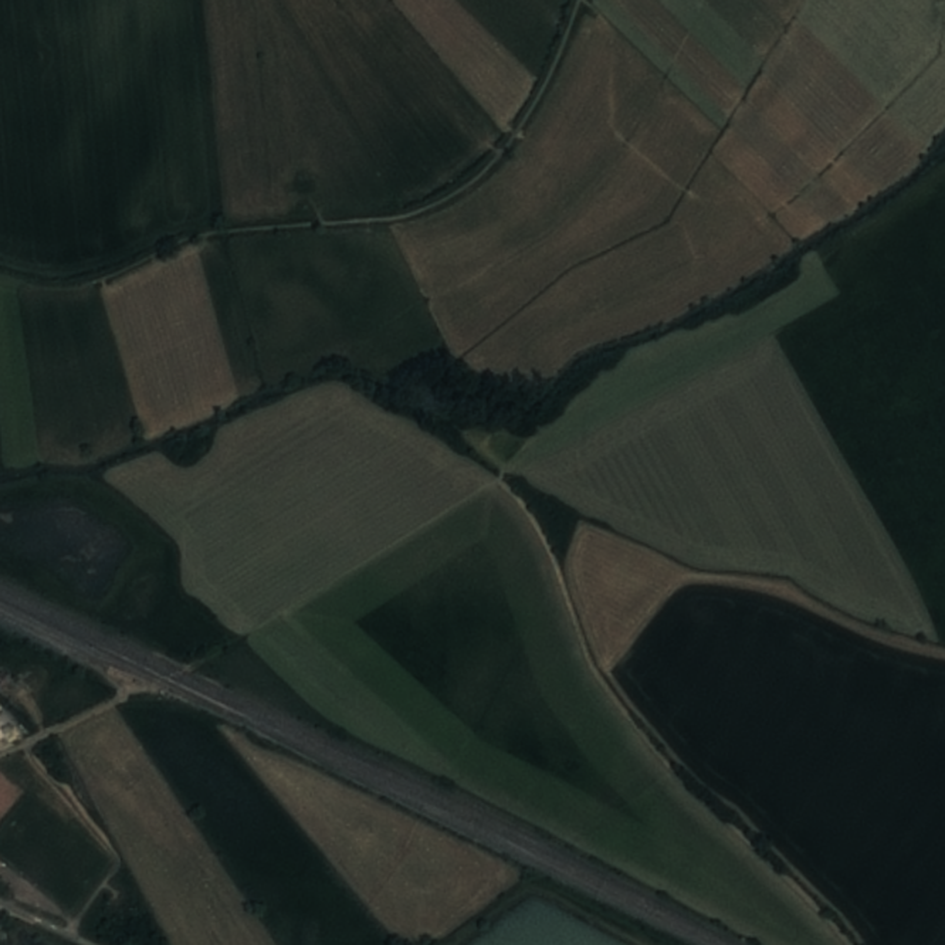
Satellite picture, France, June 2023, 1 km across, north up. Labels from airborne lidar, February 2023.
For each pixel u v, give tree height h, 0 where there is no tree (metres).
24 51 0
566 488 0
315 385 0
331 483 0
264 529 0
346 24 0
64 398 0
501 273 0
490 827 0
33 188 0
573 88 0
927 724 0
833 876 0
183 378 0
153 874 0
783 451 0
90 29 0
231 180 0
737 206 0
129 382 0
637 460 0
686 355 0
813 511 0
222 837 0
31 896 0
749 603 0
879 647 0
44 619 0
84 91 0
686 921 0
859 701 0
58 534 0
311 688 0
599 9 0
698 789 19
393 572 0
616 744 0
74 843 0
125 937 6
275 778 0
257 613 0
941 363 0
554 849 0
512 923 0
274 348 0
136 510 0
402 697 0
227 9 0
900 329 0
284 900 0
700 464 0
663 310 0
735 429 0
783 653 0
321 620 0
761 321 0
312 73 0
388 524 0
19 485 0
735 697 0
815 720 0
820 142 0
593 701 0
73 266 0
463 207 0
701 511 0
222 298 0
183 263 0
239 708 0
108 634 0
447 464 0
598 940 0
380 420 0
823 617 0
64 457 0
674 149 0
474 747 0
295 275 0
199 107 0
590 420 0
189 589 0
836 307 0
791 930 0
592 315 0
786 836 0
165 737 0
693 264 0
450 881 0
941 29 0
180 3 0
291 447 0
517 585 0
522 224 0
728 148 0
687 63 0
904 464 0
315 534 0
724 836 0
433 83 0
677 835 0
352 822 0
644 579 0
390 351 0
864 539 0
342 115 0
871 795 0
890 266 0
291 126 0
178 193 0
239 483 0
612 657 0
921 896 0
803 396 0
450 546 0
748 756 0
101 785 0
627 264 0
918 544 0
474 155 0
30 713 0
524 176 0
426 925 0
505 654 0
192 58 0
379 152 0
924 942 0
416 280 0
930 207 0
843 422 0
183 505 0
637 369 0
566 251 0
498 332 0
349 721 0
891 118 0
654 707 0
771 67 0
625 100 0
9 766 0
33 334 0
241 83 0
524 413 13
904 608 0
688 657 0
